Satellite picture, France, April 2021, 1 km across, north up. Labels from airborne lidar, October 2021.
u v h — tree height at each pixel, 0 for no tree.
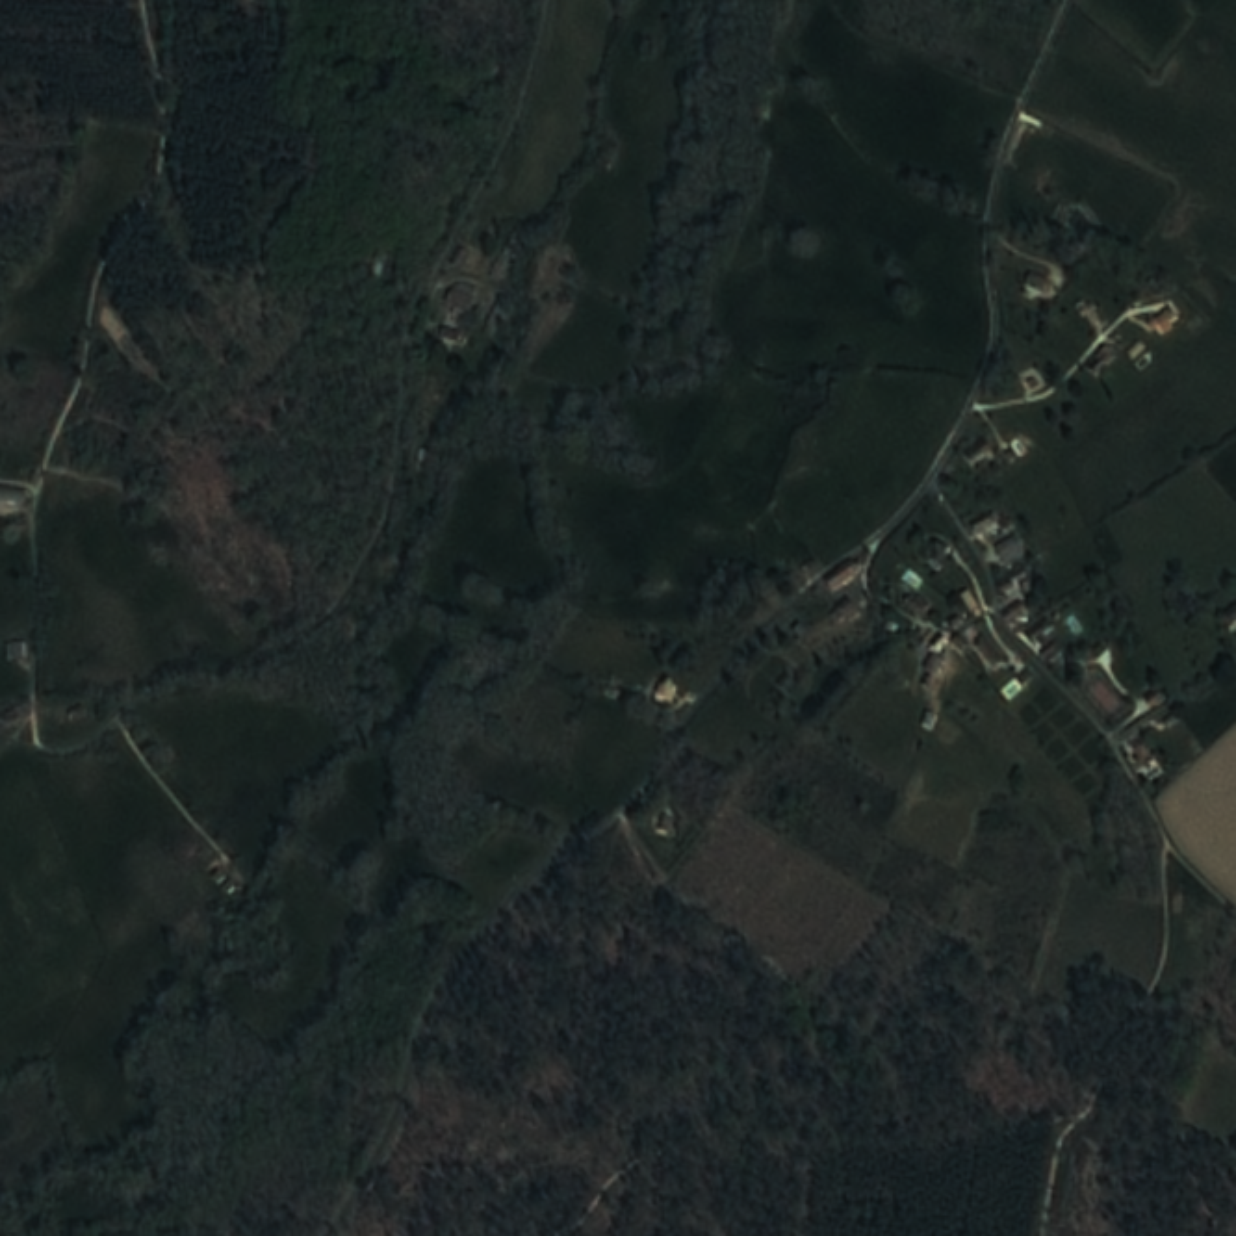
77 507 0
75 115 17
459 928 16
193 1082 32
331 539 25
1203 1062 16
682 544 0
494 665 30
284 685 23
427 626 28
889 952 11
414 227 18
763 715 6
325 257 23
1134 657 12
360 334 18
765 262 0
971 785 0
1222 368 0
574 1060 26
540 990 22
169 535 0
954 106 0
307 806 23
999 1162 19
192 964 16
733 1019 23
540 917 11
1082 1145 0
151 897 0
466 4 13
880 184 0
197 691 17
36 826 0
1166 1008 18
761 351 0
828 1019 15
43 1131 0
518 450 21
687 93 20
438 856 22
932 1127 25
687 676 12
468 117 21
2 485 0
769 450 0
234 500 0
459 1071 22
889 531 0
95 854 0
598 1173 6
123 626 0
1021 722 0
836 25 0
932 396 0
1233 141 0
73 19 16
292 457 18
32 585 15
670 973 11
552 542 22
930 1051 28
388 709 24
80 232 0
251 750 0
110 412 9
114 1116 0
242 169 12
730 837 0
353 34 22
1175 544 0
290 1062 25
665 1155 23
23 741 0
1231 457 0
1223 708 0
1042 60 0
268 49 17
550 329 0
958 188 13
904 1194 21
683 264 20
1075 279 12
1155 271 8
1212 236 0
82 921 0
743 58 27
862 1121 26
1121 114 0
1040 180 0
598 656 0
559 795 0
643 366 0
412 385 18
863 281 0
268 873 19
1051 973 0
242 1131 27
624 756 0
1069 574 0
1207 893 0
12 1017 0
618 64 0
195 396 19
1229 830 0
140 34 14
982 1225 21
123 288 20
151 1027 20
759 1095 12
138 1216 18
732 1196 27
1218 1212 22
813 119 0
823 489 0
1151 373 0
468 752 0
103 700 14
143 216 18
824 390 6
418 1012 17
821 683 0
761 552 0
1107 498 0
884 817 0
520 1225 24
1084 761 0
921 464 0
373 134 22
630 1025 23
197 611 0
